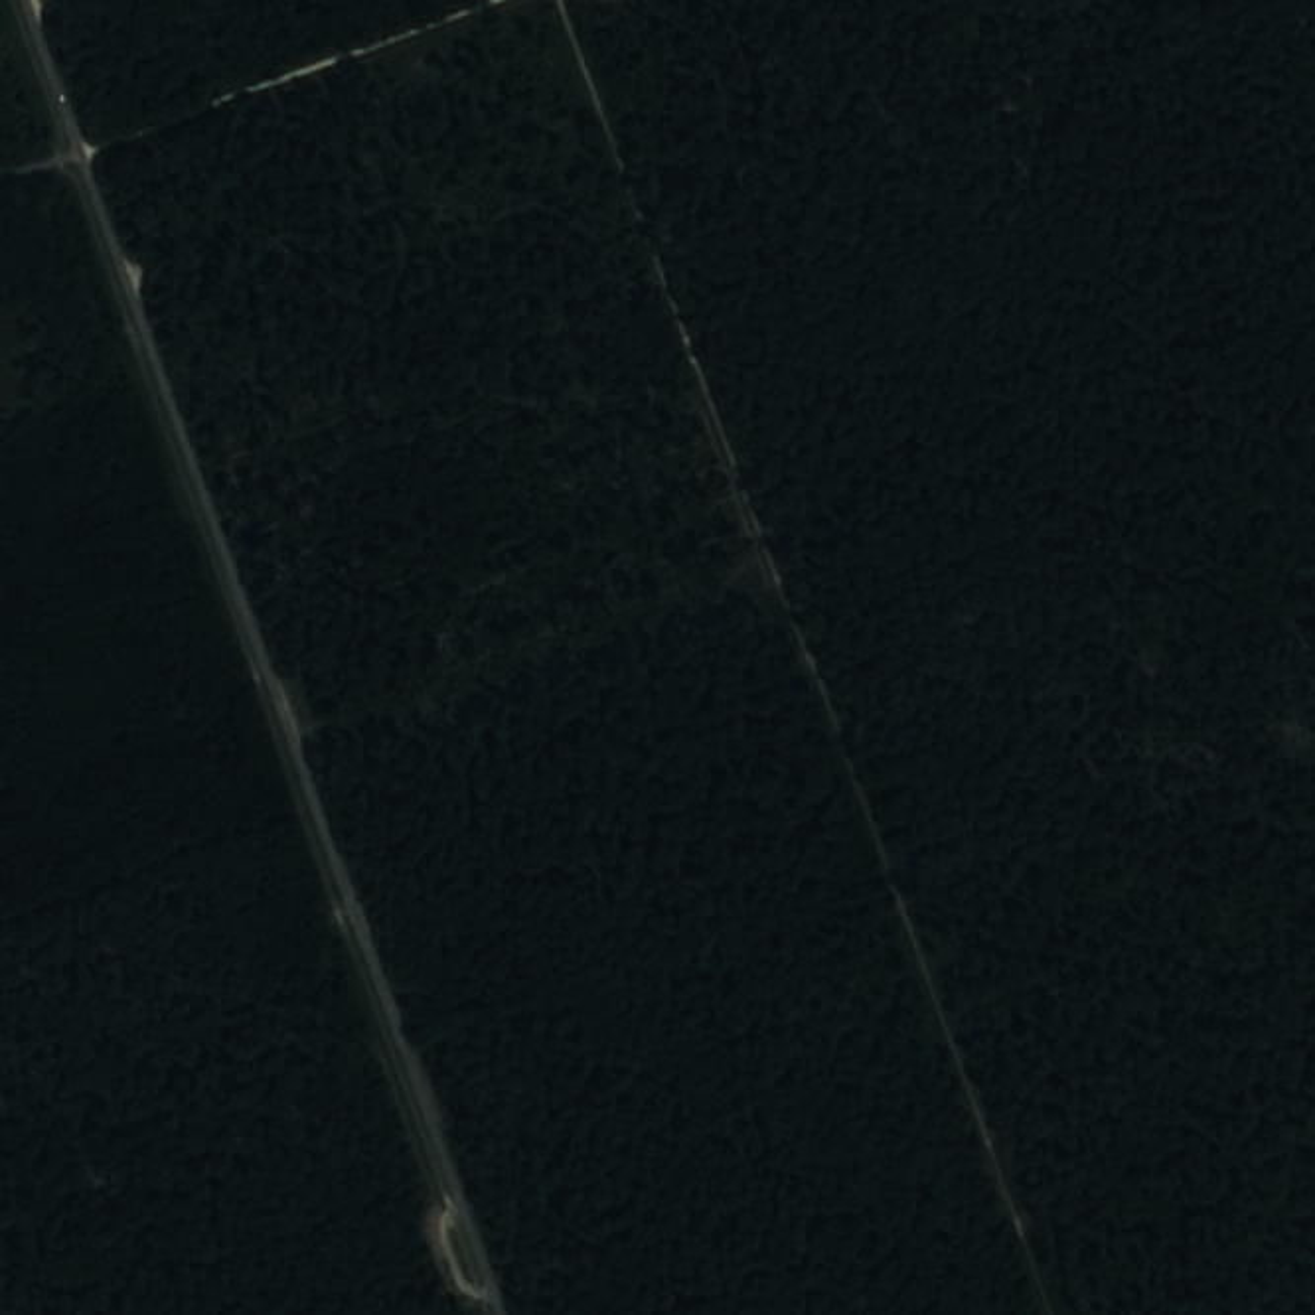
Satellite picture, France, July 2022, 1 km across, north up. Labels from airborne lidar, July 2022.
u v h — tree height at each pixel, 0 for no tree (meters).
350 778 21
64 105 0
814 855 27
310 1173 24
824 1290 27
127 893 21
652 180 30
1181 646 6
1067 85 9
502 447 9
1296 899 9
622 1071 28
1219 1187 12
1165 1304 29
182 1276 24
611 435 23
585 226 27
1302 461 29
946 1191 25
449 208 7
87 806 13
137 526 12
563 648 7
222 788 15
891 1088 24
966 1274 24
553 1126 12
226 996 21
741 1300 30
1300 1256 13
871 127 27
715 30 28
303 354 27
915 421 25
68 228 22
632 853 30
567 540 32
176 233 25
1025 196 27
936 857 24
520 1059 31
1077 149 27
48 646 11
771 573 0
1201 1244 29
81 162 0
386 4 23
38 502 13
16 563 13
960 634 24
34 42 0
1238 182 30
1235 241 27
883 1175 21
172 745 12
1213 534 7
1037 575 23
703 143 32
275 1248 21
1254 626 11
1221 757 12
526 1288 25
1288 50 25
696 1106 23
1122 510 26
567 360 24
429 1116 0
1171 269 25
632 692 29
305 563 31
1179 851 14
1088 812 21
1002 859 6
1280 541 8
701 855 26
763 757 6
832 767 12
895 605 28
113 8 29
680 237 29
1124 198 22
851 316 22
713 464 7
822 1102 22
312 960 22
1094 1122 28
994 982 28
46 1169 24
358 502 9
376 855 23
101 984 27
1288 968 26
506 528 10
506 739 26
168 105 22
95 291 10
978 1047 27
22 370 11
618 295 26
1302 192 31
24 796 12
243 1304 20
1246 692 26
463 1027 24
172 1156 27
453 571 6
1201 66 29
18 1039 27
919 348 22
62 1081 25
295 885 21
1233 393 31
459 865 26
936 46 32
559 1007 18
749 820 25
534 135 26
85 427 9
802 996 25
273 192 26
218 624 10
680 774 23
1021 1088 26
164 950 21
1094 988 30
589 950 24
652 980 26
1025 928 26
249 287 7
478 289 25
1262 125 25
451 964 24
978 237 26
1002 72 28
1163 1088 21
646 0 24
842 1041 28
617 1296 25
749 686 16
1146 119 27
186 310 24
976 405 21
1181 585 28
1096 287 26
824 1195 28
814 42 29
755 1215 29
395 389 29
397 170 21
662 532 13
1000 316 26
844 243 26
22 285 21
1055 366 29
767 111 32
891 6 29
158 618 11
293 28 19
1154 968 27
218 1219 22
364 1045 23
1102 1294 5
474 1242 0
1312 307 28
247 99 13
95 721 12
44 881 14
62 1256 27
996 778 21
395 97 7
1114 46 29
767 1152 28
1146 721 13
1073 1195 26
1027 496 28
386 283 27
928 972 0
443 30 0
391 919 23
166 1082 28
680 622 21
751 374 26
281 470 29
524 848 28
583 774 28
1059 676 26
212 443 20
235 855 24
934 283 23
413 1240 25
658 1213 23
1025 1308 26
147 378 0
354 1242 23
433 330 23
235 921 24
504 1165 29
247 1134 25
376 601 25
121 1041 29
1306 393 29
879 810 11
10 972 25
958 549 24
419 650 7
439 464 9
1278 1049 25
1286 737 10
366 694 28
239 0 23
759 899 29
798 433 24
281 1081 25
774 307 22
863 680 18
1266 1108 26
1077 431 28
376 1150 19
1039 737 24
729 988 26
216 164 31
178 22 27
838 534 27
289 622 25
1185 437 30
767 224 26
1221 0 30
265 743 13
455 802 28
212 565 0
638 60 26
